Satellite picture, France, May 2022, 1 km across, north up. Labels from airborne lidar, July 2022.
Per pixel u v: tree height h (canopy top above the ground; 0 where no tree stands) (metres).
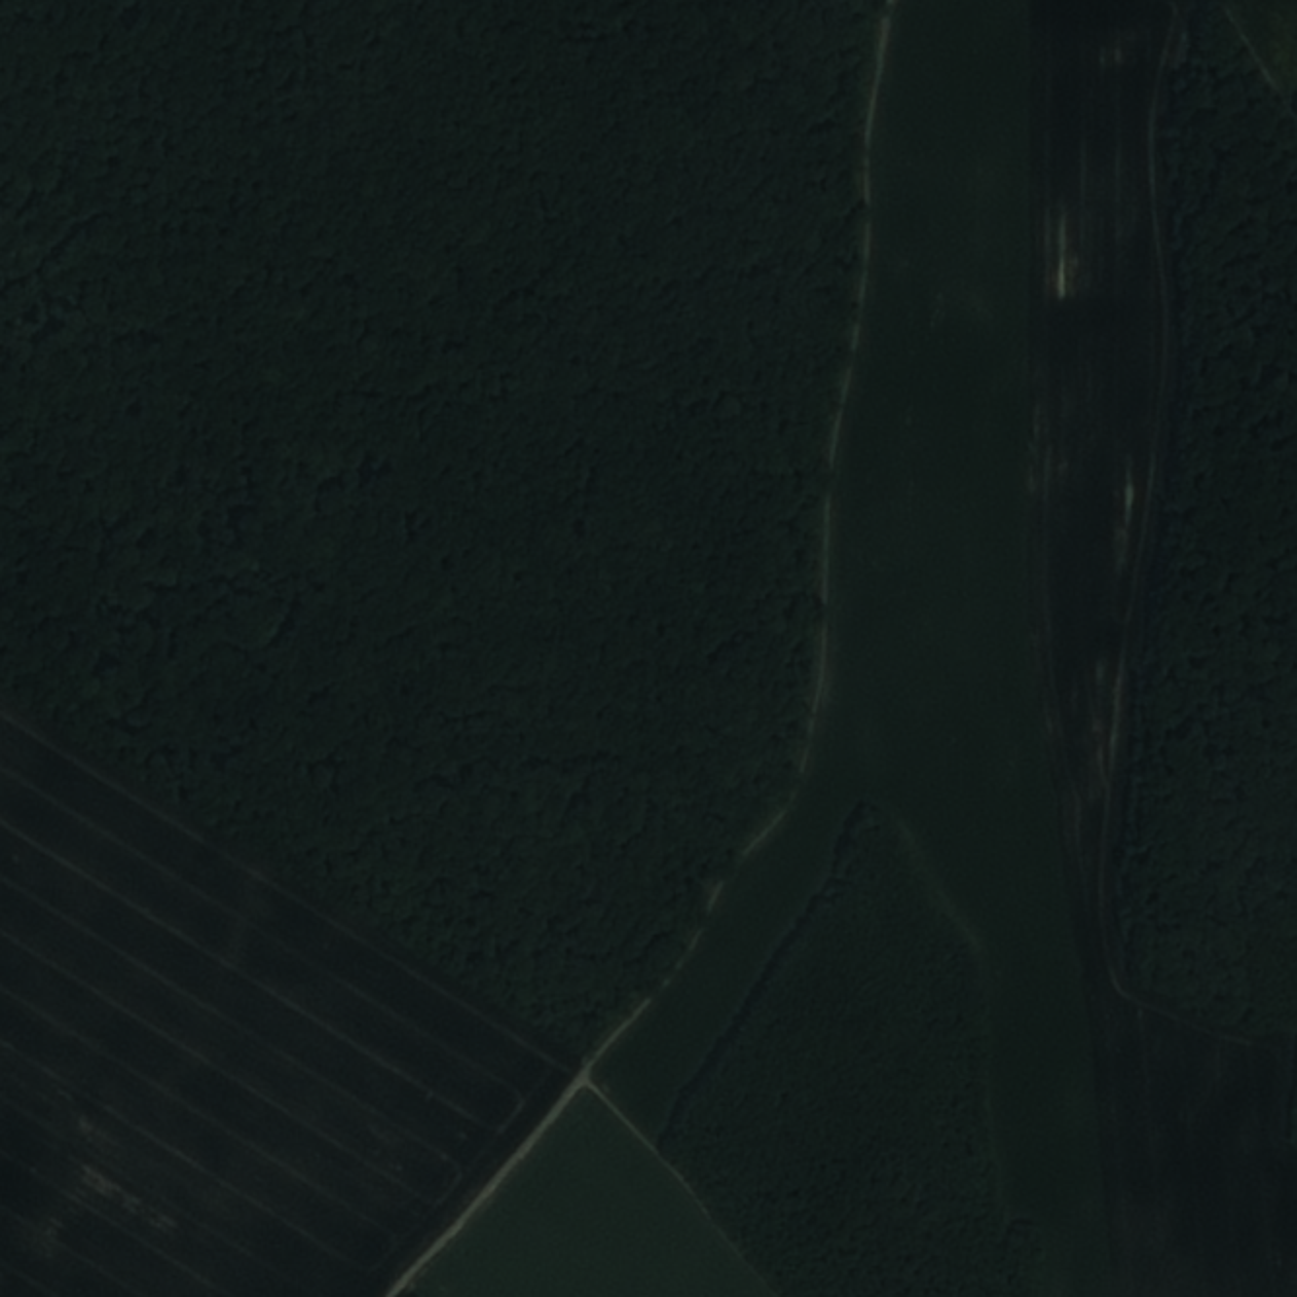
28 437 20
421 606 31
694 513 30
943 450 0
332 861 30
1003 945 0
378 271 32
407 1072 0
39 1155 0
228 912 0
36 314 19
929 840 0
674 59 30
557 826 34
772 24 27
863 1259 21
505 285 31
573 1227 0
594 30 24
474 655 34
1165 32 0
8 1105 0
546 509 33
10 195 27
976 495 0
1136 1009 0
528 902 30
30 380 28
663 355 29
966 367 0
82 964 0
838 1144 18
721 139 28
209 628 33
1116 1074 0
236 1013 0
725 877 23
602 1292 0
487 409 28
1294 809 33
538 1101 0
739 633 28
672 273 27
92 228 24
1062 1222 0
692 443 32
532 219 30
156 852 0
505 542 31
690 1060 0
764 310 29
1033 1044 0
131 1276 0
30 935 0
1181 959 30
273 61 30
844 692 0
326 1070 0
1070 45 0
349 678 34
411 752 33
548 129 27
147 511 33
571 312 30
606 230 30
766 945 0
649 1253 0
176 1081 0
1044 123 0
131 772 18
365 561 32
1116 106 0
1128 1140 0
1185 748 30
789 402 30
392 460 32
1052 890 0
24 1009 0
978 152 0
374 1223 0
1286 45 0
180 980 0
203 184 30
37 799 0
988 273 0
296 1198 0
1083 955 0
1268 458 33
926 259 0
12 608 30
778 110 31
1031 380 0
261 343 31
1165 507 16
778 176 32
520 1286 0
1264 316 31
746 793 27
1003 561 0
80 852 0
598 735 32
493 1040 0
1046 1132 0
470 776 33
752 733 30
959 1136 18
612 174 27
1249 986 11
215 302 28
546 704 29
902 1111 20
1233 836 35
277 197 32
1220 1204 0
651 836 32
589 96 29
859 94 18
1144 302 0
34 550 28
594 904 31
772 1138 20
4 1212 0
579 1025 22
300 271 31
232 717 35
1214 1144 0
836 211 30
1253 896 32
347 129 32
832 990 17
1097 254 0
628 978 27
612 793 34
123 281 30
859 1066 19
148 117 27
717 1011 0
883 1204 26
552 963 30
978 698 0
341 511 31
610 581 29
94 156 25
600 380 32
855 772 0
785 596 24
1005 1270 18
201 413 27
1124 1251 0
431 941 22
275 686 33
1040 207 0
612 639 31
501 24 27
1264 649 33
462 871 30
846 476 0
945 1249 23
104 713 30
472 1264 0
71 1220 0
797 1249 21
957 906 0
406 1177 0
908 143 0
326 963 0
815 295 30
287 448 29
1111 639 0
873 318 0
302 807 33
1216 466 33
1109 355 0
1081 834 0
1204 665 29
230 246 31
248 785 29
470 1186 0
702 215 30
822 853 0
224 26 28
